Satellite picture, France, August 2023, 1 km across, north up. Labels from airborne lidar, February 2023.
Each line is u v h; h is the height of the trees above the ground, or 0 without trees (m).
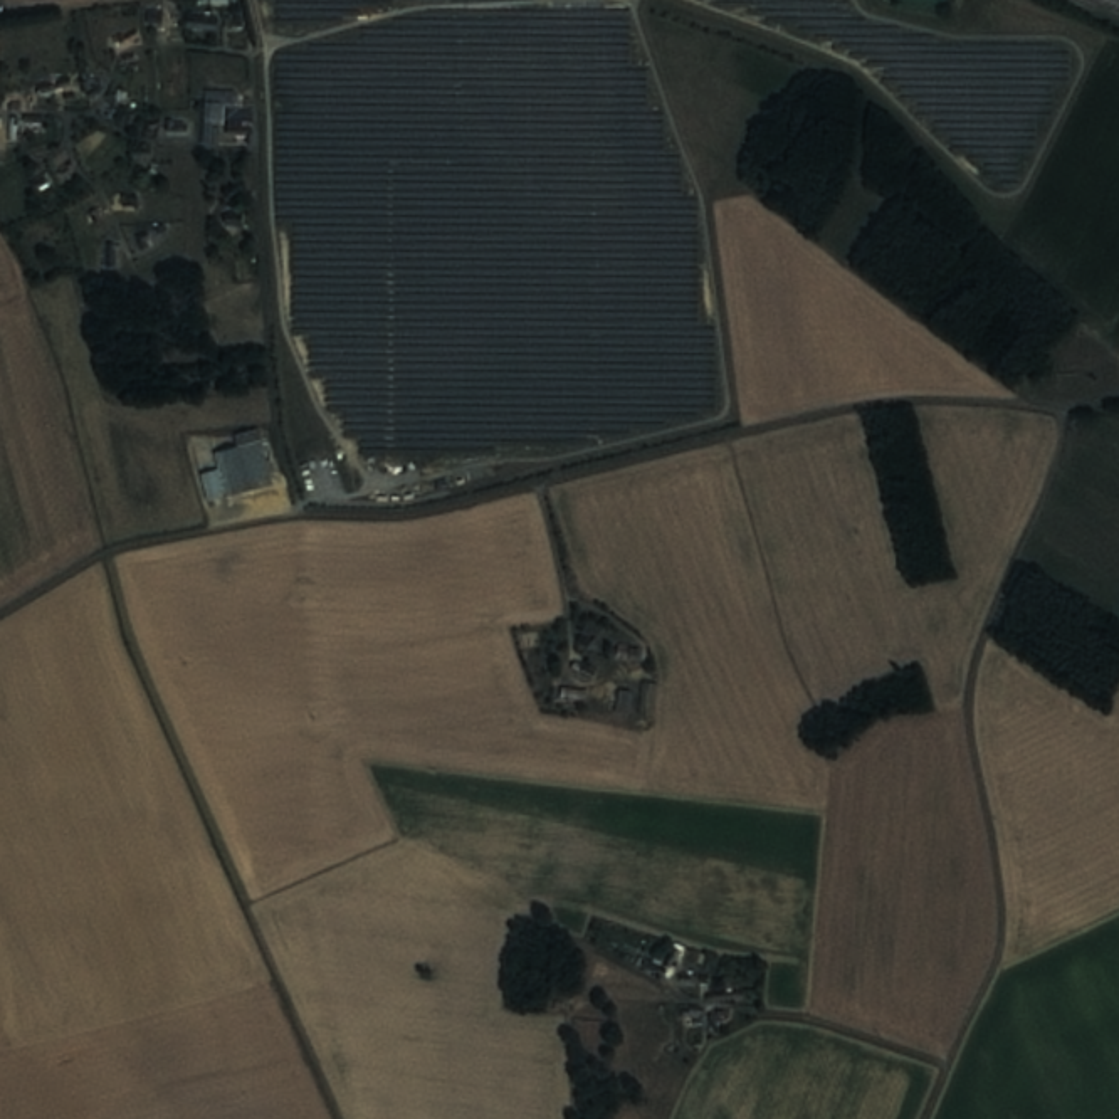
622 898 0
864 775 0
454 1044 0
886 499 8
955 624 0
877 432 12
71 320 0
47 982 0
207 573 0
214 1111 0
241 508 0
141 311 21
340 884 0
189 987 0
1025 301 20
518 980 8
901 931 0
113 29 0
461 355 0
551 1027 0
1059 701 0
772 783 0
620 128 0
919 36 0
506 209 0
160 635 0
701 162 0
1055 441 0
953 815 0
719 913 0
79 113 0
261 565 0
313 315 0
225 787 0
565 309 0
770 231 0
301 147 0
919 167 10
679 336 0
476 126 0
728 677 0
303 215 0
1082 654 19
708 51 0
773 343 0
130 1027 0
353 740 0
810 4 0
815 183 19
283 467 0
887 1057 0
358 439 0
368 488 0
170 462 0
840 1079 0
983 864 0
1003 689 0
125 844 0
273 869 0
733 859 0
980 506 0
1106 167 0
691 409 0
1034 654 16
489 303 0
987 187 0
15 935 0
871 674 0
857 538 0
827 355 0
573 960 15
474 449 0
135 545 0
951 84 0
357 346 0
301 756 0
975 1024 0
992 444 0
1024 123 0
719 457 0
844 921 0
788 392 0
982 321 17
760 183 10
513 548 0
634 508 0
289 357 0
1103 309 0
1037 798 0
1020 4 0
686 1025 0
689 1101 0
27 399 0
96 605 0
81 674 0
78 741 0
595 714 0
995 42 0
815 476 0
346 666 0
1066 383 0
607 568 0
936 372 0
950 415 0
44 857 0
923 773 0
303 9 0
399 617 0
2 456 0
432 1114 0
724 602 0
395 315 0
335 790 0
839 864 0
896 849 0
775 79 0
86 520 0
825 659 0
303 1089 0
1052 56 0
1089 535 0
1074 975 0
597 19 0
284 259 0
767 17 0
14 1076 0
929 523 9
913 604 0
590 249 0
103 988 0
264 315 0
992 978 0
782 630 0
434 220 0
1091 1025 0
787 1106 0
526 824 0
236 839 0
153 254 0
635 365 0
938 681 0
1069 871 0
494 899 0
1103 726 0
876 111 7
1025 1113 0
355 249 0
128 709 0
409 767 0
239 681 0
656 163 0
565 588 0
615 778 0
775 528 0
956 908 0
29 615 0
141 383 6
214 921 0
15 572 0
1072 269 0
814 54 0
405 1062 0
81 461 0
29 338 0
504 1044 0
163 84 0
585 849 0
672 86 0
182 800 0
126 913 0
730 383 0
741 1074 0
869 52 0
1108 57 0
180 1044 0
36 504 0
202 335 17
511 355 0
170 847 0
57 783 0
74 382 0
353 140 0
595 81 0
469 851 0
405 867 0
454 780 0
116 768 0
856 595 0
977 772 0
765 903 0
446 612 0
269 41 0
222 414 0
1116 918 0
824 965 0
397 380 0
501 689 0
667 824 0
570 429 0
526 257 0
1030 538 0
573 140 0
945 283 13
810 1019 0
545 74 0
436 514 0
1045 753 0
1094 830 0
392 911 0
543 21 0
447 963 0
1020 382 8
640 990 0
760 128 15
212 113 0
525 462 0
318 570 0
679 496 0
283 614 0
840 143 20
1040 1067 0
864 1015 0
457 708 0
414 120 0
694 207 0
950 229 9
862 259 11
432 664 0
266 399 0
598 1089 18
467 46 0
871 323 0
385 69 0
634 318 0
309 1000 0
